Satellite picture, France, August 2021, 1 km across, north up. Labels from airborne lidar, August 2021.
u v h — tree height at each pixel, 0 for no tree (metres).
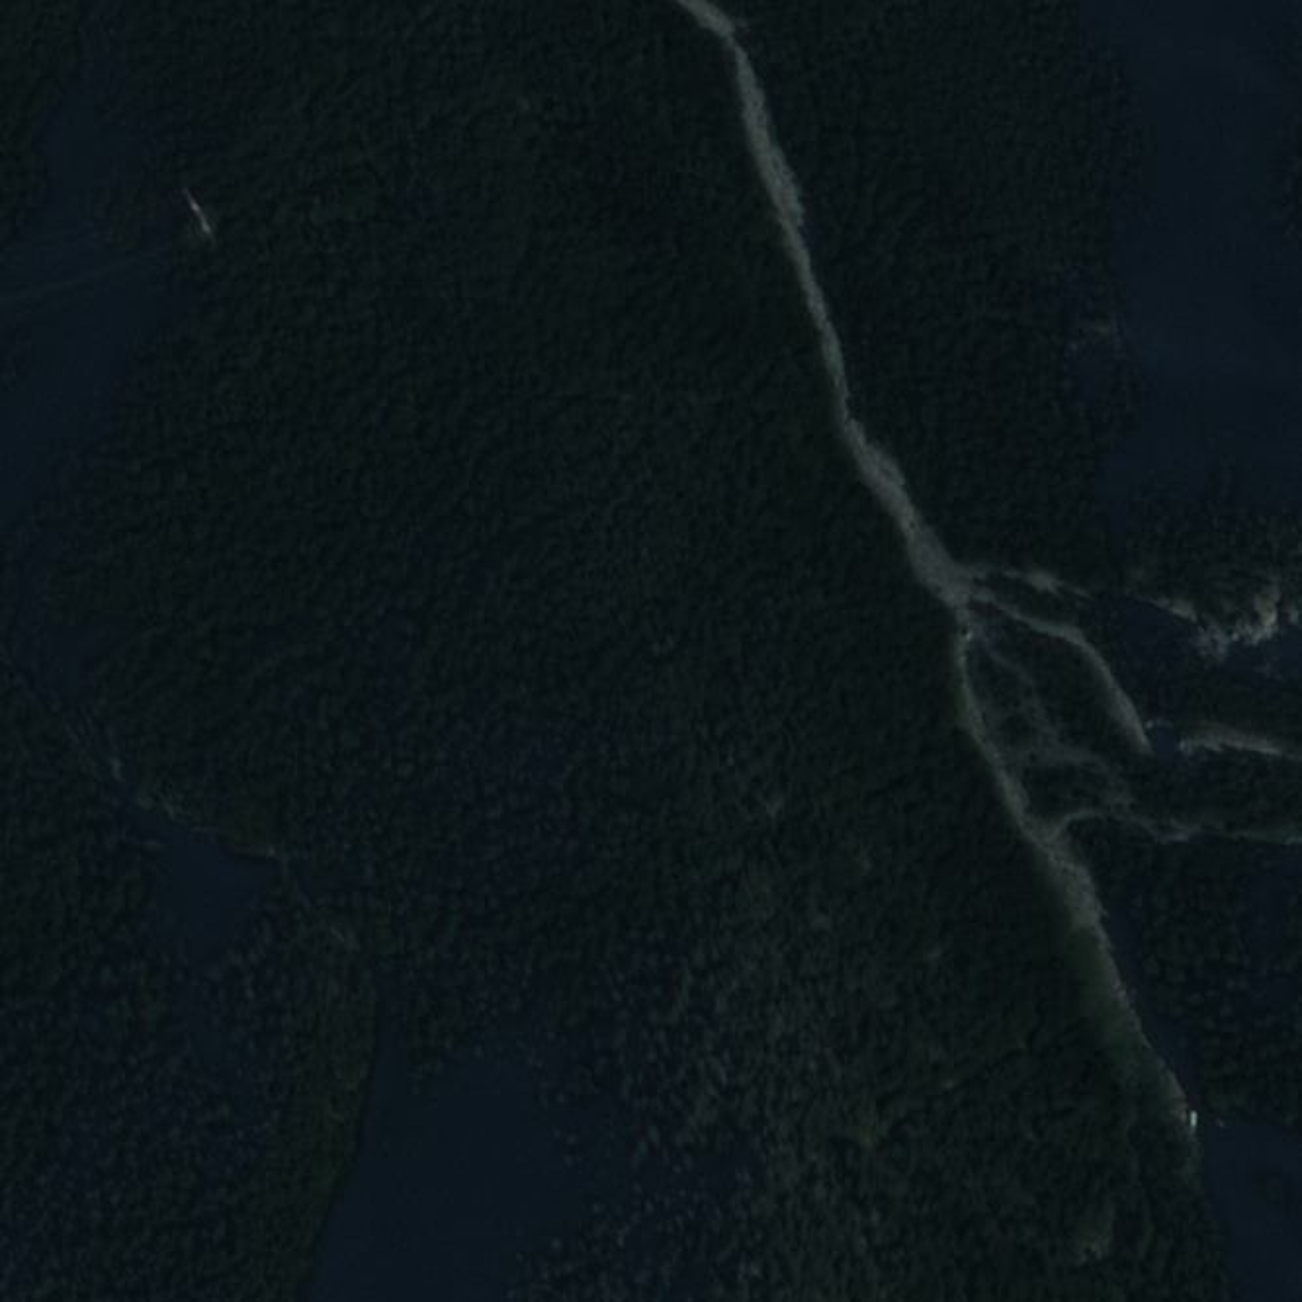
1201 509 13
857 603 22
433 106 26
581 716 28
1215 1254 20
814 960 23
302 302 18
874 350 11
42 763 14
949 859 26
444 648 27
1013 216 11
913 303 34
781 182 0
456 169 28
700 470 20
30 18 13
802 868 30
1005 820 18
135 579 25
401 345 16
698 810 17
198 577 21
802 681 25
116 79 9
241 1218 19
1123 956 0
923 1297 16
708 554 21
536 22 24
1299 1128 11
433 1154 22
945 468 18
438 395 22
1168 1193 10
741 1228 11
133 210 6
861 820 24
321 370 25
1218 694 10
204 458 23
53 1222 17
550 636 20
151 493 29
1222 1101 16
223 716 26
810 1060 28
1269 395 13
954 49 13
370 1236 27
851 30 16
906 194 16
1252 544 26
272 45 17
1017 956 23
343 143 27
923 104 15
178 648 24
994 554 27
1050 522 25
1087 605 13
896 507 0
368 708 21
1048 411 24
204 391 18
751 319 28
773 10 17
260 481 19
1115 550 13
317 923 21
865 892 22
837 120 18
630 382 9
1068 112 13
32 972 29
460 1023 29
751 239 29
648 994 26
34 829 30
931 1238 21
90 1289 18
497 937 23
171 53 25
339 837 16
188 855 11
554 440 30
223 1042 13
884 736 20
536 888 21
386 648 11
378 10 26
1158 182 10
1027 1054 10
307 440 17
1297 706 12
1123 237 13
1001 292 23
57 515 20
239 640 23
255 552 21
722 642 36
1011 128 17
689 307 37
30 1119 28
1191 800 12
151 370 19
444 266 21
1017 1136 18
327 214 28
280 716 12
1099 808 10
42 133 16
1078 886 0
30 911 27
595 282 30
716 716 31
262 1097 20
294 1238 24
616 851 23
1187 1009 21
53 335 21
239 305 19
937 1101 12
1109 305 15
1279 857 11
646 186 12
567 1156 8
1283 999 19
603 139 23
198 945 21
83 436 20
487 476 22
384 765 25
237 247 19
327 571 21
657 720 17
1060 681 8
